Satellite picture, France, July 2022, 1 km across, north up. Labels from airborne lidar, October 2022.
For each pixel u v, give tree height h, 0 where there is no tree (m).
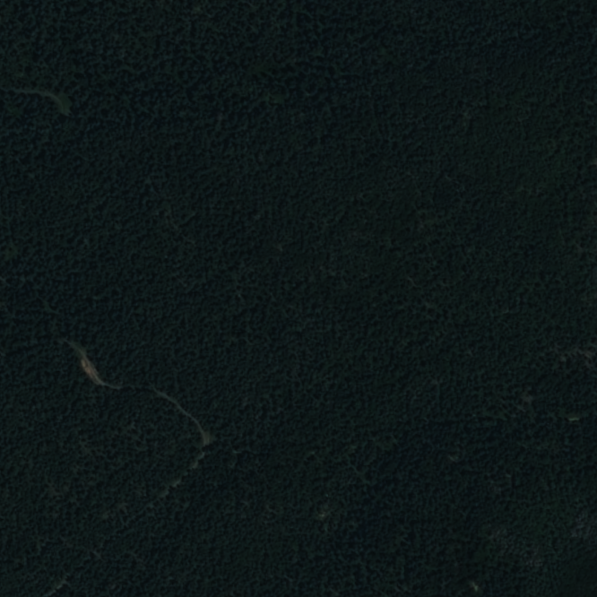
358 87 20
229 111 27
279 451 21
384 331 12
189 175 7
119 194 12
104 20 20
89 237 14
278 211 13
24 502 18
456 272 16
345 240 13
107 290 19
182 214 8
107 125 10
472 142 15
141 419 13
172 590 18
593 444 21
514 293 23
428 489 22
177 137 17
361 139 23
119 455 21
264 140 10
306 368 21
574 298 13
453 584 22
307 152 15
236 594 13
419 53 21
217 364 25
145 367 22
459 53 24
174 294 18
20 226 20
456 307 9
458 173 16
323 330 20
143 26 19
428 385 17
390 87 12
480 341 19
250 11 24
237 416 6
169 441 20
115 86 27
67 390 15
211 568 22
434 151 21
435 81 22
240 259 20
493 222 19
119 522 17
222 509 21
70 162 22
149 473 20
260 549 19
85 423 19
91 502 18
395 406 14
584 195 21
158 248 15
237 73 26
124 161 13
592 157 14
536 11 10
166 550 22
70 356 23
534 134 13
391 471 21
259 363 13
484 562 9
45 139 19
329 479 15
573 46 20
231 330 9
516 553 20
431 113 13
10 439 9
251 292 22
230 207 16
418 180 10
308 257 17
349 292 7
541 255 8
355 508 9
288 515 11
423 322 12
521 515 10
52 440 13
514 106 16
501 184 15
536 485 18
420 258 8
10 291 20
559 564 15
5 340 18
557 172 8
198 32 22
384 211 13
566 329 7
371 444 19
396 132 6
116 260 21
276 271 12
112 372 14
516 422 12
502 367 12
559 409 14
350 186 18
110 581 13
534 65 18
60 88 11
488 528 13
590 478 22
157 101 27
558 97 6
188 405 18
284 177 12
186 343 22
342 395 15
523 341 15
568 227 8
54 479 12
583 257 6
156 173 26
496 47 23
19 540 13
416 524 24
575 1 15
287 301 7
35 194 19
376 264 7
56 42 24
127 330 18
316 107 8
